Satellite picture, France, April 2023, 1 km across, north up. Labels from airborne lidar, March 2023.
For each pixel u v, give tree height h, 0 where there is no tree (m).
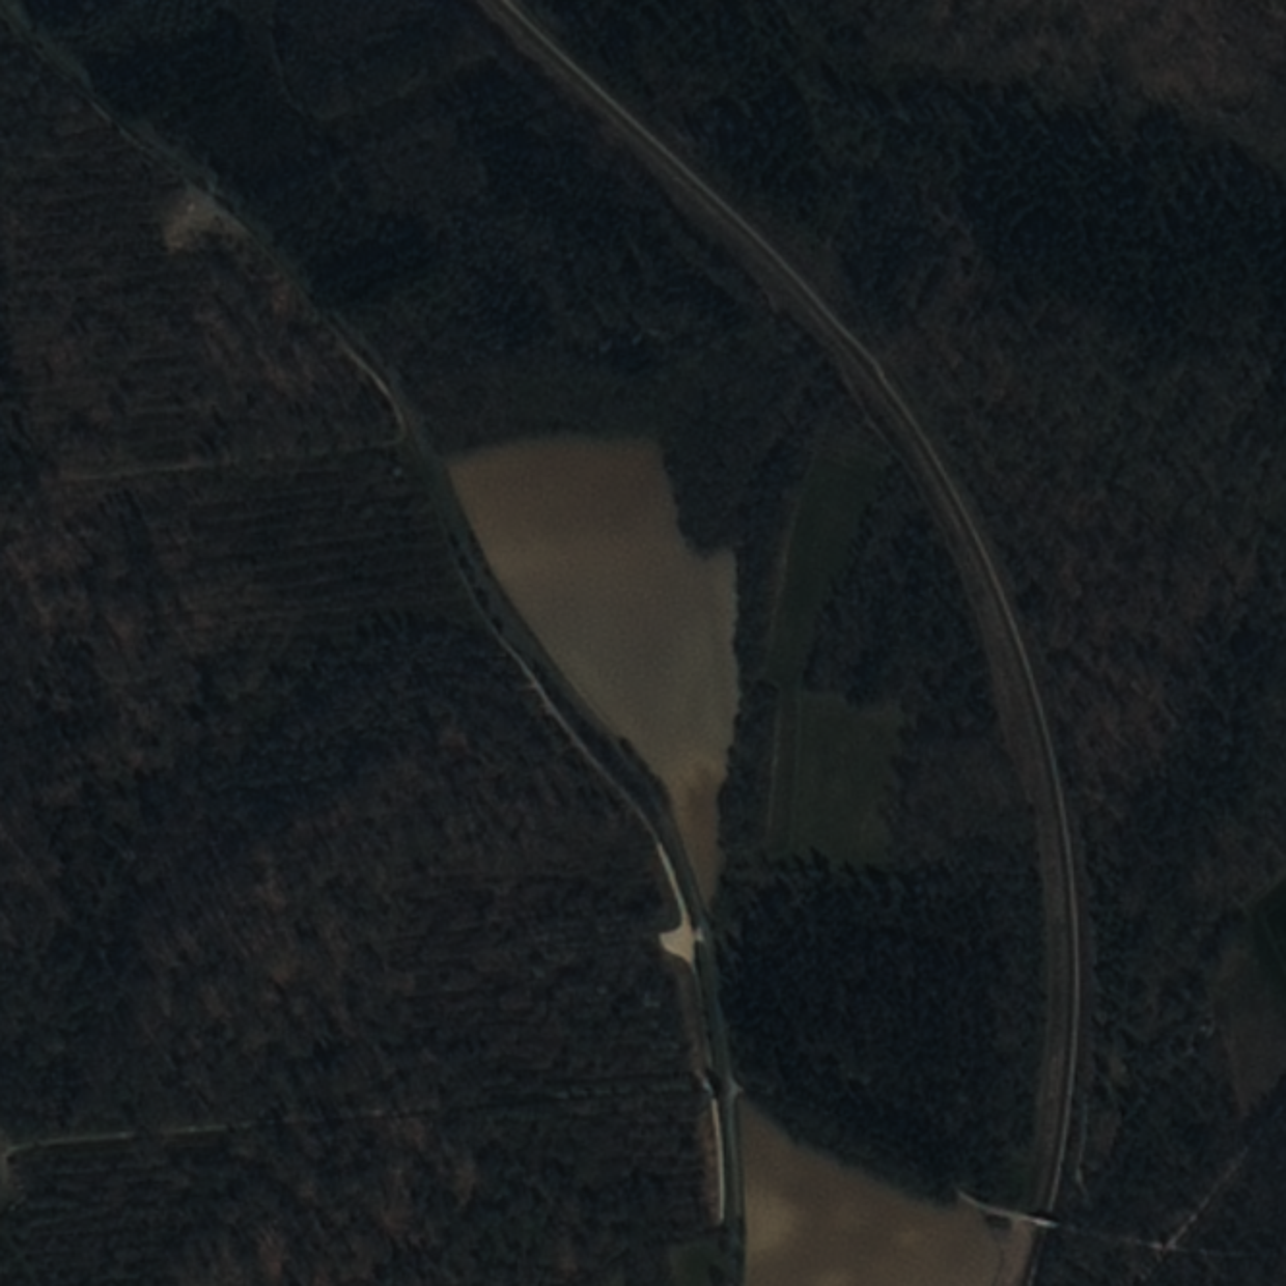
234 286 27
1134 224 31
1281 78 21
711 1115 0
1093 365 22
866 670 15
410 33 19
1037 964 10
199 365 23
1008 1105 16
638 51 33
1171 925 14
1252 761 18
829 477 0
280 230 23
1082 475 22
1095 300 30
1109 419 23
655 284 17
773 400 20
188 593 9
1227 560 29
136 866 29
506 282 26
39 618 28
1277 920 0
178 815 26
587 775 14
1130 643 18
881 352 19
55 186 7
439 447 16
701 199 0
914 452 0
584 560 0
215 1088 23
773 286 0
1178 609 24
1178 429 24
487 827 27
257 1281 25
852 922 21
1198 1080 16
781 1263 0
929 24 25
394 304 27
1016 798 20
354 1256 24
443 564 0
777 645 0
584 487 0
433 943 7
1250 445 21
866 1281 0
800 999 27
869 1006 19
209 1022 23
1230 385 25
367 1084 29
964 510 0
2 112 22
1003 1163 15
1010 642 0
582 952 8
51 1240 9
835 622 16
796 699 0
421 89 8
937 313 23
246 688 22
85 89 0
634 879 14
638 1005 14
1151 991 21
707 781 0
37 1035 21
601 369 25
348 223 23
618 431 16
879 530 18
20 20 0
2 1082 18
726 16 34
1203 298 25
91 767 28
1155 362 14
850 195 11
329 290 29
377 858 29
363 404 21
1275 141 26
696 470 22
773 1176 0
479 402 21
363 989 25
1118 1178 14
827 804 0
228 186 23
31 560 27
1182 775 20
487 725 8
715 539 15
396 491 9
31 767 26
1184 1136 11
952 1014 19
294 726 23
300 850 24
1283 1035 0
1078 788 17
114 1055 26
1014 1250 0
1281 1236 19
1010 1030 15
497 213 21
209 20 34
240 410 23
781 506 16
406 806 22
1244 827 22
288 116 11
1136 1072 13
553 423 21
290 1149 24
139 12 23
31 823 30
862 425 15
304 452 26
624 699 0
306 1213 23
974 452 19
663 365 21
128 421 23
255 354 27
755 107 21
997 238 29
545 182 28
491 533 0
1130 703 24
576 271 25
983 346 23
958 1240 0
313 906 9
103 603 24
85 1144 0
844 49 32
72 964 26
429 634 11
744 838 19
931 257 24
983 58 23
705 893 0
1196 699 24
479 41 19
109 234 7
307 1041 23
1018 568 15
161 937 24
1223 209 29
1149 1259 13
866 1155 17
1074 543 27
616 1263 8
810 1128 22
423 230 29
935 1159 24
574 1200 23
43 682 27
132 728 21
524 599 0
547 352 22
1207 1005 18
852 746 0
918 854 21
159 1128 21
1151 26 21
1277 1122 17
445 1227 24
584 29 32
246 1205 24
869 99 18
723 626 0
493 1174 22
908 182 14
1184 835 23
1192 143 30
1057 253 34
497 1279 19
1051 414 23
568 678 0
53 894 27
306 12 18
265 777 15
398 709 16
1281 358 29
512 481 0
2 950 22
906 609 16
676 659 0
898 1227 0
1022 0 22
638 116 0
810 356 20
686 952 0
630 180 24
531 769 19
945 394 18
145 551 25
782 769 0
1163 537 30
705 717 0
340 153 24
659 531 0
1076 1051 0
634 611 0
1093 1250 18
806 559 0
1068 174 32
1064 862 0
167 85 33
